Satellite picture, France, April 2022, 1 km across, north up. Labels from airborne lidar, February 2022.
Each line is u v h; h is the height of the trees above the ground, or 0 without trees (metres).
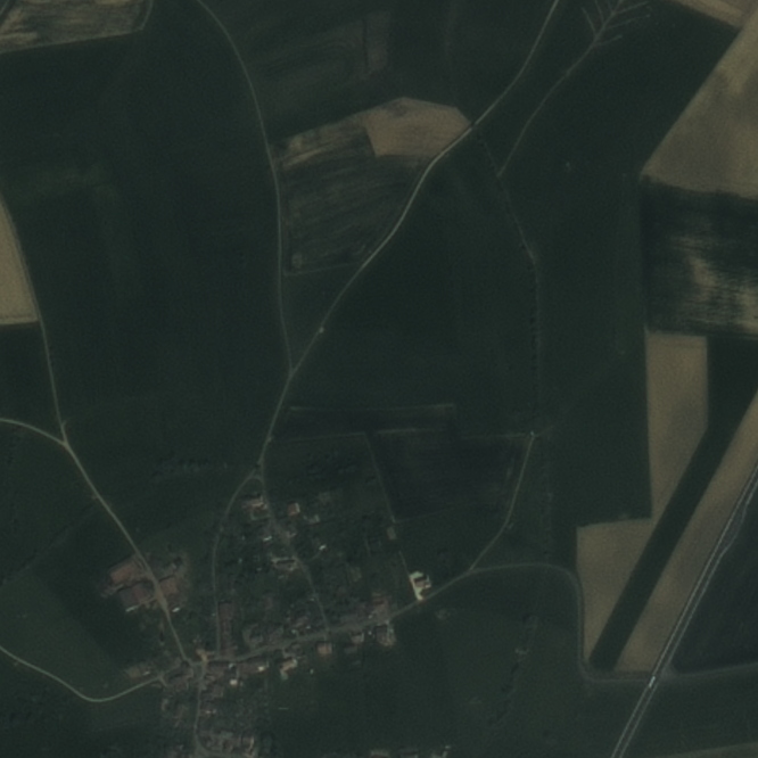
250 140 0
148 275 0
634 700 0
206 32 0
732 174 0
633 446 0
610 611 0
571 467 0
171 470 16
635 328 0
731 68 0
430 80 0
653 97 0
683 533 0
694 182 0
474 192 0
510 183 0
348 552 0
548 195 0
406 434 0
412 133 0
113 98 0
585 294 0
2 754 0
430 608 0
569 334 0
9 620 0
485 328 0
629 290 0
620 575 0
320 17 0
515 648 0
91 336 0
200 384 0
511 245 0
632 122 0
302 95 0
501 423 0
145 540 0
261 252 0
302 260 0
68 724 0
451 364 0
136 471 0
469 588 0
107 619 0
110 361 0
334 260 0
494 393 0
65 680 0
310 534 7
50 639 0
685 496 0
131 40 0
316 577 0
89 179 0
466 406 0
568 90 0
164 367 0
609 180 0
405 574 0
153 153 0
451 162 0
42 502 0
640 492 0
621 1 0
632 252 0
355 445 0
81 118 0
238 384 0
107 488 0
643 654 0
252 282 0
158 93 0
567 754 0
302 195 0
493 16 0
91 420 0
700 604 0
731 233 0
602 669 0
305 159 0
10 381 0
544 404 0
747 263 0
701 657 0
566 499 0
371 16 0
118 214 0
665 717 0
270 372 0
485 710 0
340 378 0
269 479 0
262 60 0
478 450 0
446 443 0
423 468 0
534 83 0
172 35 0
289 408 0
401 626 0
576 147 0
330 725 0
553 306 0
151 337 0
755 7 0
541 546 0
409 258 0
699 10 0
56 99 0
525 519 0
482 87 0
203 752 0
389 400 0
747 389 0
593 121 0
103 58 0
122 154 0
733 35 0
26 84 0
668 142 0
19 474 0
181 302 0
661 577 0
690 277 0
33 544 0
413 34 0
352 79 0
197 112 0
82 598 0
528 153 0
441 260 0
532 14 0
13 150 0
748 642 0
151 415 0
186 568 0
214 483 0
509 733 0
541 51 0
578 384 0
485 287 0
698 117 0
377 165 0
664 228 0
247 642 0
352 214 0
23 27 0
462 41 0
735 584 0
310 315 0
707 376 0
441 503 0
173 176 0
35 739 0
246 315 0
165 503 0
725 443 0
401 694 0
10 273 0
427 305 0
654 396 0
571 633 0
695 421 0
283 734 0
